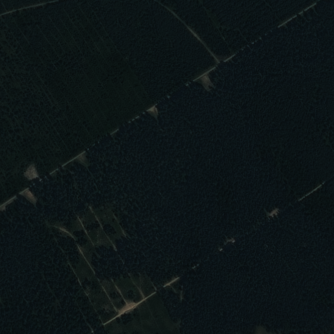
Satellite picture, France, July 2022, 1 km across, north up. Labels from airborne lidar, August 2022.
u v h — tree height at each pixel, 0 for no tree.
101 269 28
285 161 8
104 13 12
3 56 7
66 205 28
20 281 20
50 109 9
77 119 6
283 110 15
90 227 8
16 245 26
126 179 31
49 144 8
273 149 13
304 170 8
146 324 0
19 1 15
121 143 30
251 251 27
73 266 9
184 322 26
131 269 34
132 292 8
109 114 6
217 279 22
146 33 11
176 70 11
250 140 30
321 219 12
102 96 7
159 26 14
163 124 33
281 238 23
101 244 0
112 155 40
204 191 22
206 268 24
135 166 29
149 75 10
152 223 34
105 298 0
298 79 25
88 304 12
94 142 6
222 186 15
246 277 30
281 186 24
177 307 25
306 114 12
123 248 32
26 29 11
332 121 14
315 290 24
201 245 19
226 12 13
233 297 30
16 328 16
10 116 9
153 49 14
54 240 11
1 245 24
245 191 28
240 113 25
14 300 14
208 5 14
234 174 19
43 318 9
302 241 20
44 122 9
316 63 25
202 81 0
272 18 15
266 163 25
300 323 22
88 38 8
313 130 18
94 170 30
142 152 30
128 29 12
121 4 10
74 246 15
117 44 9
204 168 28
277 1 18
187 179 20
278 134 18
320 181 15
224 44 8
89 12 8
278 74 17
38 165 8
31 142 7
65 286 14
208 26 6
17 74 8
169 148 26
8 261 25
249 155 21
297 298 24
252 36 13
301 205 20
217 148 25
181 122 31
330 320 30
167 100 26
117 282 0
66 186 12
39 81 10
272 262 29
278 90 24
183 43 16
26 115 12
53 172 0
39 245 17
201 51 17
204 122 26
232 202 22
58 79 7
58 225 0
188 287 33
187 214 27
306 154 18
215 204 25
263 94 15
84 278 0
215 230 28
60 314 12
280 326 32
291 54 25
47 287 20
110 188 38
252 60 29
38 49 12
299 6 18
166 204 21
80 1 12
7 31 7
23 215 9
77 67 12
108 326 0
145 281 0
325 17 25
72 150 6
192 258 25
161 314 0
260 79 24
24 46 7
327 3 26
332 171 17
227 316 28
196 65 11
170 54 11
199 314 30
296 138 16
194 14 9
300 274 22
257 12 17
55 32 9
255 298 27
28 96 10
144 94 8
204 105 31
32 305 21
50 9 11
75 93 8
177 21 14
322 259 28
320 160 18
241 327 27
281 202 23
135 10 12
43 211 32
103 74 8
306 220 28
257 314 30
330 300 21
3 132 7
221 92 27
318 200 10
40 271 10
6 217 34
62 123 9
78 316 17
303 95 13
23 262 25
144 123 27
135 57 11
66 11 10
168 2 8
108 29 12
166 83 12
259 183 26
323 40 21
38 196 28
